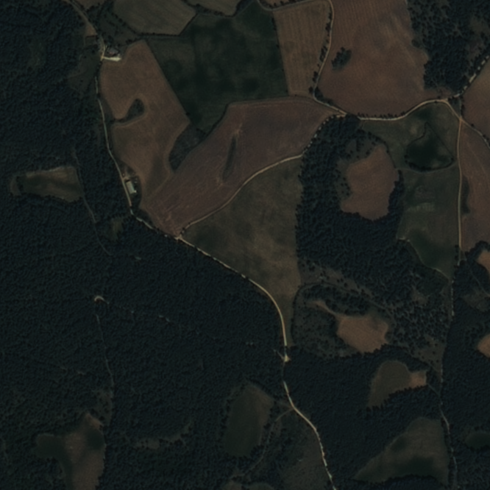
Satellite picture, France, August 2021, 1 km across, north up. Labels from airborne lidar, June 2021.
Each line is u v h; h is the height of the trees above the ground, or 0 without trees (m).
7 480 14
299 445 0
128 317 10
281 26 0
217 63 0
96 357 14
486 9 13
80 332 11
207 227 0
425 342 8
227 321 14
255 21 0
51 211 12
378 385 0
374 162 0
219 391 17
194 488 9
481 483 11
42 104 14
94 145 13
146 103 0
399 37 0
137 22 0
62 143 16
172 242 13
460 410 18
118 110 0
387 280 11
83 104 9
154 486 15
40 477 11
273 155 0
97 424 0
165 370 14
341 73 0
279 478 16
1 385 14
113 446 15
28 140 13
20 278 14
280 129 0
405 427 14
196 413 16
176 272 16
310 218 13
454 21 13
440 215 0
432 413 12
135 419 17
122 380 14
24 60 14
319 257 11
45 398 11
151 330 13
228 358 17
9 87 12
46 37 10
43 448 0
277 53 0
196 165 0
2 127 21
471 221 0
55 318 15
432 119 0
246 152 0
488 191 0
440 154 0
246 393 0
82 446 0
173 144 0
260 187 0
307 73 0
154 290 17
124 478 13
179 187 0
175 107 0
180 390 14
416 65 0
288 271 0
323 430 13
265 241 0
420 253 0
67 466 0
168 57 0
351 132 10
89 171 14
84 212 15
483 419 14
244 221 0
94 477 0
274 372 14
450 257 0
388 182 0
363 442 14
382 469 0
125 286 14
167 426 18
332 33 0
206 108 0
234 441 0
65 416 13
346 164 0
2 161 6
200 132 6
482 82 0
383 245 8
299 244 10
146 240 14
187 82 0
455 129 0
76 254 15
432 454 0
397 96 0
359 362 17
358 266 9
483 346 0
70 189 0
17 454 11
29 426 10
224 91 0
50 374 12
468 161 0
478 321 10
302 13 0
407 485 17
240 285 16
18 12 10
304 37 0
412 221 0
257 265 0
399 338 9
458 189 0
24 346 13
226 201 0
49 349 13
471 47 0
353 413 15
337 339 13
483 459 15
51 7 7
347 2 0
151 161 0
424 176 0
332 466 14
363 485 13
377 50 0
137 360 11
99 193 19
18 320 14
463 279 16
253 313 16
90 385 11
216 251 0
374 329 0
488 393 16
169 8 0
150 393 13
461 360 15
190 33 0
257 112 0
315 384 17
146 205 0
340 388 15
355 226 12
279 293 0
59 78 18
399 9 0
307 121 0
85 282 15
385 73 0
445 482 0
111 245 17
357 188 0
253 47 0
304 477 0
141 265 10
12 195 11
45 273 11
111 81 0
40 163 14
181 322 14
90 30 0
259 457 12
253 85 0
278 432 0
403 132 0
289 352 12
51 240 15
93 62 0
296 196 0
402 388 0
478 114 0
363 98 0
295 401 13
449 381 15
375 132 0
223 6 0
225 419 13
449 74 17
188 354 16
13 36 14
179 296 17
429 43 8
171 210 0
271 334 13
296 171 0
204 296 13
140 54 0
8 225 15
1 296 13
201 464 18
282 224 0
